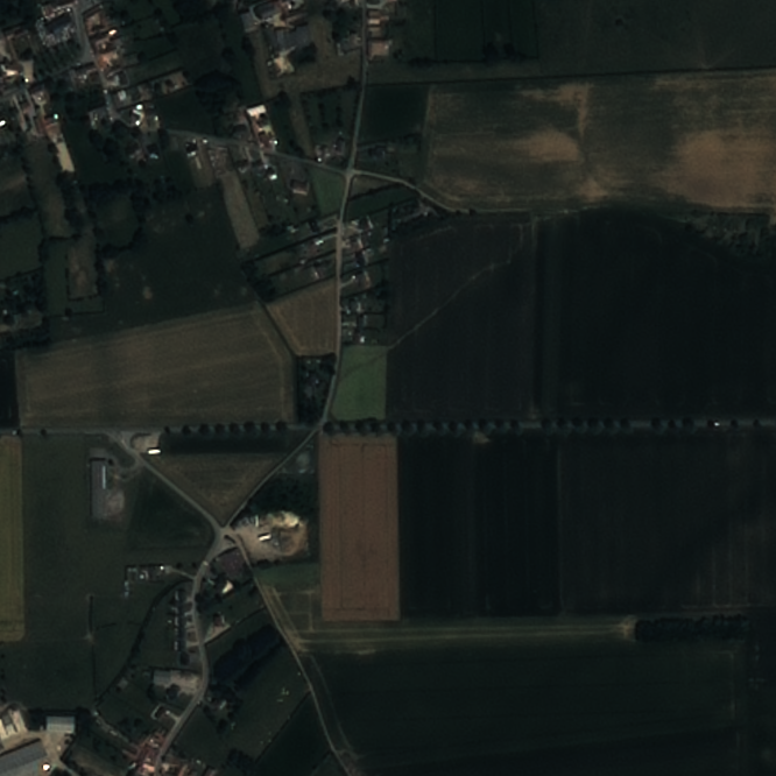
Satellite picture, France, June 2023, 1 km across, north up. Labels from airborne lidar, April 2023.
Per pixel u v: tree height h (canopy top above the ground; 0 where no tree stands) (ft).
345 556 0
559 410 0
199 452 0
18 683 0
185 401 0
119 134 48
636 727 0
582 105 0
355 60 0
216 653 0
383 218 0
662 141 0
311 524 0
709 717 0
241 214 0
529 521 0
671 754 0
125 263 0
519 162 0
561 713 0
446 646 0
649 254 0
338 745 0
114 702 0
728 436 0
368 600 0
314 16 0
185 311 0
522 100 0
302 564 0
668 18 0
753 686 0
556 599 0
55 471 0
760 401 0
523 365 0
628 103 0
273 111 0
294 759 0
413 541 0
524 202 0
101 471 0
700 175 0
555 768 0
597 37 0
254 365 0
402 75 0
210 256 0
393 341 0
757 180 0
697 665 0
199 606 47
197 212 0
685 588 0
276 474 0
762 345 0
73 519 0
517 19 0
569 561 0
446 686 0
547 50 0
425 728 0
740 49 0
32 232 0
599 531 0
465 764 0
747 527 0
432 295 0
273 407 0
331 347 0
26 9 41
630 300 0
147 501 0
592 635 0
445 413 0
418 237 0
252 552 0
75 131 0
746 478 0
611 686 0
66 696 0
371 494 0
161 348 0
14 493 0
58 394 0
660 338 0
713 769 0
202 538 0
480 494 0
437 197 0
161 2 0
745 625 35
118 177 0
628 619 0
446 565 0
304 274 0
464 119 0
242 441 0
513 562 0
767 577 0
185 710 0
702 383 0
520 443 0
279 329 0
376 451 0
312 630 0
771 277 0
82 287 0
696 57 0
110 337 0
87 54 0
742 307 0
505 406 0
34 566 0
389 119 0
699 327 0
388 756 0
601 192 0
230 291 0
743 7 0
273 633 72
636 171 0
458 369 0
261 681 0
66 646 0
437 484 0
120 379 0
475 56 0
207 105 37
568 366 0
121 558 0
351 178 0
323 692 0
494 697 0
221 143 0
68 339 0
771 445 0
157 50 0
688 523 0
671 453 0
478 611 0
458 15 0
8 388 0
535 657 0
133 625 0
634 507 0
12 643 0
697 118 0
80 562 0
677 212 0
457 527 0
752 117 0
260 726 0
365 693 0
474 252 0
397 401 0
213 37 0
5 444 0
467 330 0
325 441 0
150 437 0
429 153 0
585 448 0
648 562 0
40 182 0
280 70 0
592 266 0
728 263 0
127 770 0
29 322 0
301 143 0
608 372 0
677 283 0
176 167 0
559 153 0
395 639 0
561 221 0
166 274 0
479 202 0
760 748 0
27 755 0
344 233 0
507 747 0
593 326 0
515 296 0
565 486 0
